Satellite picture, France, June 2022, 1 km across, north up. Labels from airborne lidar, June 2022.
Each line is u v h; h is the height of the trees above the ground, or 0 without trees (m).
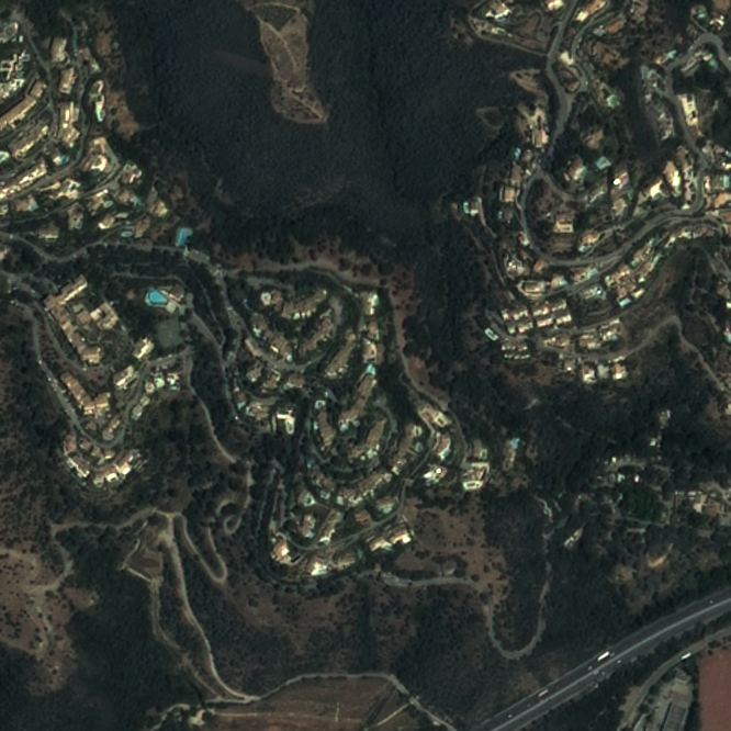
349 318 6
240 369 8
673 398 17
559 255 6
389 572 10
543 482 9
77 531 13
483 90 5
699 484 16
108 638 6
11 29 0
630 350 0
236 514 9
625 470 15
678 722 0
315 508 0
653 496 15
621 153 12
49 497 10
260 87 9
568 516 9
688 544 15
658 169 9
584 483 10
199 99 7
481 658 7
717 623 13
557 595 7
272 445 17
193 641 8
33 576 0
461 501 9
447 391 17
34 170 0
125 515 13
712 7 8
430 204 12
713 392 11
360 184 6
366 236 13
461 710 6
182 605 12
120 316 7
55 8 19
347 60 10
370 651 11
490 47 8
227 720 0
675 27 7
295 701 0
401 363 9
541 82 10
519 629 8
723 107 0
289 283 9
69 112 0
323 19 8
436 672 6
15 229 13
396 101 9
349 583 10
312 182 7
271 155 8
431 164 8
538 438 9
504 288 9
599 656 0
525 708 0
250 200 10
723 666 0
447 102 6
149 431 8
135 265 8
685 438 23
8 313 15
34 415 10
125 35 9
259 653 11
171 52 7
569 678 0
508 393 6
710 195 8
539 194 6
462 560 7
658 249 13
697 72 8
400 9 10
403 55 6
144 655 9
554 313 0
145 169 9
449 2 9
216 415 13
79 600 0
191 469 16
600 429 8
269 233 17
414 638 11
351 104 9
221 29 8
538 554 7
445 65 10
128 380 0
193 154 11
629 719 0
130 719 8
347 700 0
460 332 12
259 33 8
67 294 0
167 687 8
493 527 6
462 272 7
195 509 8
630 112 6
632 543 18
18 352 11
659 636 0
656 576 15
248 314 8
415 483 8
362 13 9
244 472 24
